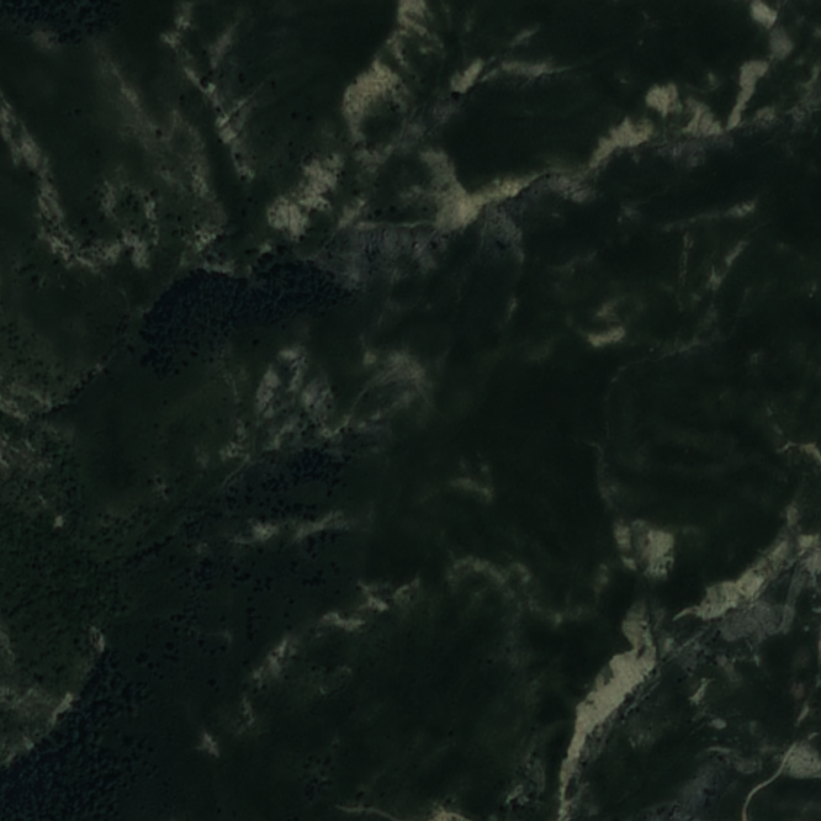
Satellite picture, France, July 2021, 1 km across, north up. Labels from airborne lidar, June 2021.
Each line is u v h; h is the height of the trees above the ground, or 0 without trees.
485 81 0
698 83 0
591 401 0
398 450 0
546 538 0
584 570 0
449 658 0
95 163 0
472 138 0
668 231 0
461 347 0
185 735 0
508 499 0
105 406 0
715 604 0
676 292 0
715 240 0
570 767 0
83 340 0
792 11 0
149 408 0
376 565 0
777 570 0
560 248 0
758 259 0
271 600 0
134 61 0
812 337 0
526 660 0
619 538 0
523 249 0
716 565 0
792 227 0
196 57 0
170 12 0
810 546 0
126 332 9
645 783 0
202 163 0
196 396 0
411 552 0
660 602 0
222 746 0
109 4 10
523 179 0
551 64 0
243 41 0
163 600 0
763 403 0
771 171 0
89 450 0
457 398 0
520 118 0
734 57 0
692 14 0
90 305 0
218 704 0
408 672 0
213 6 0
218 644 0
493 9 0
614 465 0
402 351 0
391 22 0
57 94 0
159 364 10
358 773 0
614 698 0
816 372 0
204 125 0
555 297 0
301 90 0
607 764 0
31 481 8
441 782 0
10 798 9
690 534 0
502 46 0
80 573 11
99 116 0
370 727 0
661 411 0
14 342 7
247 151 0
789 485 0
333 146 0
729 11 0
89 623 8
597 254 0
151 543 0
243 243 0
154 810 0
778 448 0
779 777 0
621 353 0
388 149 0
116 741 0
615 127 0
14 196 0
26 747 0
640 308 0
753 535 0
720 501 0
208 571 8
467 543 0
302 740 0
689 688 0
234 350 0
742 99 0
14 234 0
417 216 0
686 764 0
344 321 0
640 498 0
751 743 0
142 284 0
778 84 0
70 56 0
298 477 12
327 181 0
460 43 0
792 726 0
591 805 0
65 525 7
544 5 0
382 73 0
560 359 0
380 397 0
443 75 0
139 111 0
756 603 0
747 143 0
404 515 0
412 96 0
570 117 0
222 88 0
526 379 0
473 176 0
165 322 20
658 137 0
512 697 0
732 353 0
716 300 0
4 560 12
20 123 0
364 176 0
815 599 0
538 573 0
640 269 0
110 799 12
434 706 0
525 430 0
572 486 0
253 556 0
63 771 14
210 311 17
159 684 0
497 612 0
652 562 0
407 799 0
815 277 0
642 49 0
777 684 0
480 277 0
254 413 0
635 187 0
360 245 0
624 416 0
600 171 0
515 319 0
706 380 0
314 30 0
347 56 0
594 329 0
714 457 0
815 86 0
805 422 0
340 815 0
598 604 0
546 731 0
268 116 0
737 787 0
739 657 0
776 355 0
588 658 0
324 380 0
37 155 0
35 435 9
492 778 0
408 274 0
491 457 0
